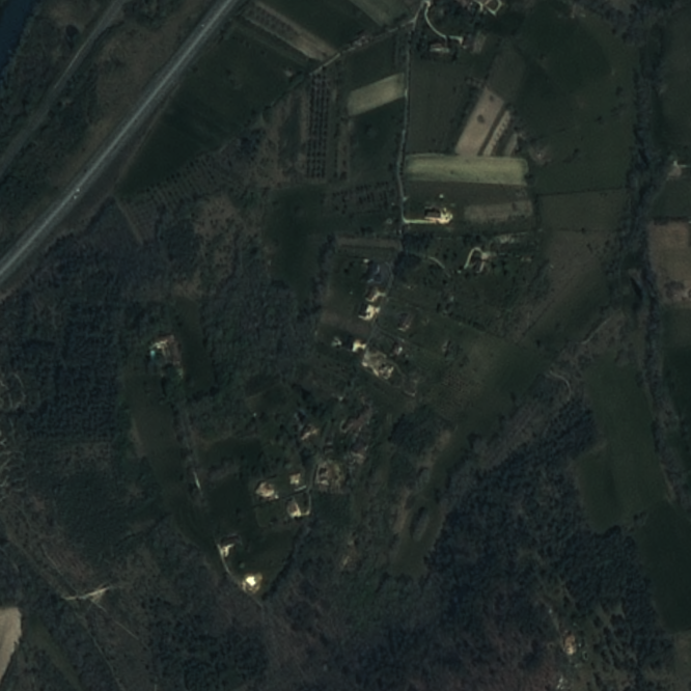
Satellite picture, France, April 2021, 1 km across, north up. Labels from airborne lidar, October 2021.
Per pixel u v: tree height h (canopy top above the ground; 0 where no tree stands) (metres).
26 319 11
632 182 17
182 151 0
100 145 0
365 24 0
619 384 0
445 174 0
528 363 0
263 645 17
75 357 15
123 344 10
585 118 0
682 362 0
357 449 0
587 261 0
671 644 10
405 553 0
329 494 7
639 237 23
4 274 0
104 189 0
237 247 15
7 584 20
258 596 0
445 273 9
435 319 0
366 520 14
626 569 21
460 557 18
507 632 20
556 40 0
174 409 16
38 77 17
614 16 19
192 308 0
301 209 8
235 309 25
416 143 0
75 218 0
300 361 26
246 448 0
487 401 0
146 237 7
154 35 0
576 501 13
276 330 26
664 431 20
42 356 15
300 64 0
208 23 0
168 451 0
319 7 0
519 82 0
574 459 15
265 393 0
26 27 13
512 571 13
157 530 11
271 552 0
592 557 20
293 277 0
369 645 22
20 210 9
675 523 0
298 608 18
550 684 7
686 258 0
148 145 0
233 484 0
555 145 0
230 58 0
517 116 10
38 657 6
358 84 0
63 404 13
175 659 6
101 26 0
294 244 0
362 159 0
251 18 9
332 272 9
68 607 8
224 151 0
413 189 0
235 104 0
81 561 9
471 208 0
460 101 0
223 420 18
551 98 0
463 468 18
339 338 0
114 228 18
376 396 0
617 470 0
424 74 0
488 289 0
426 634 23
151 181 0
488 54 0
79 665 22
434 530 0
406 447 9
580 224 0
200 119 0
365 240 7
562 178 0
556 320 0
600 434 17
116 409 13
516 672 12
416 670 19
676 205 0
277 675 20
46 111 0
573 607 15
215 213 0
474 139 0
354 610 25
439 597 17
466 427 0
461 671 26
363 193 7
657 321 18
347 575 11
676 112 0
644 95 16
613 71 0
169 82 0
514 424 9
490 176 0
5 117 9
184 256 5
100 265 11
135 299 13
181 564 16
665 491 0
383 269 0
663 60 16
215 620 14
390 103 0
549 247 0
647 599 19
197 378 0
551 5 0
